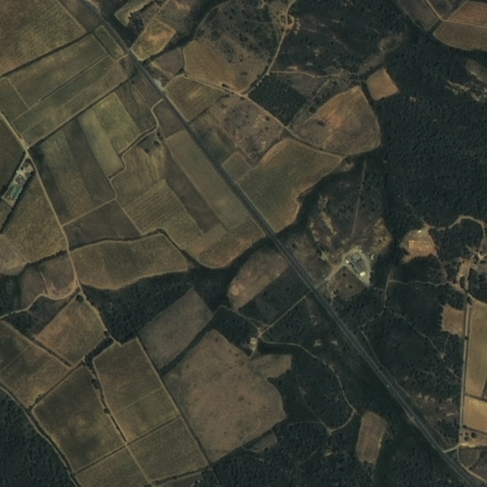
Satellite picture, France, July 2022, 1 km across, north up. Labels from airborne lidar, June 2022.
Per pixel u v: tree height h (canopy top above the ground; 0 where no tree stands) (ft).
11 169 0
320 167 0
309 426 31
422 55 26
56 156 0
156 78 0
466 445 0
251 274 0
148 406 0
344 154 0
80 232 0
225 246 0
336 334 33
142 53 0
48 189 0
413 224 25
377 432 0
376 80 0
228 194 0
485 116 22
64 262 0
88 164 0
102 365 0
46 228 0
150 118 0
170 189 0
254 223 0
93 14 0
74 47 0
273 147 0
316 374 0
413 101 21
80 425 0
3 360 0
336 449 34
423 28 19
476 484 0
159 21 0
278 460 29
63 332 0
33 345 0
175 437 0
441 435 0
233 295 0
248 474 39
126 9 0
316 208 0
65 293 0
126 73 0
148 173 0
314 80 0
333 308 0
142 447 0
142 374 0
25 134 0
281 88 26
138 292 29
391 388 0
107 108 0
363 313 34
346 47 0
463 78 23
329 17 0
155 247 0
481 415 0
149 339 0
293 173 0
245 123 0
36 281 0
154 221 0
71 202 0
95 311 0
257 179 0
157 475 0
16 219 0
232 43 0
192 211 0
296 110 27
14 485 27
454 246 29
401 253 24
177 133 0
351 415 25
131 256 0
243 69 0
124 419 0
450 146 27
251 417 0
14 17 0
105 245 0
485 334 0
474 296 32
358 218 0
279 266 0
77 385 0
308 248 0
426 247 0
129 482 0
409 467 29
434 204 29
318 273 0
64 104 0
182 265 0
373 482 32
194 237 0
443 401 25
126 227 0
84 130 0
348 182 0
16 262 0
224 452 0
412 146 34
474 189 31
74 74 0
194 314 0
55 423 0
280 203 0
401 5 0
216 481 38
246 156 0
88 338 0
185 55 0
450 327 0
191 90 0
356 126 0
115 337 18
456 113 35
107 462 0
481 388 0
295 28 0
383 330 26
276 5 0
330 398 28
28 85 0
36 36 0
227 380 0
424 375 36
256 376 0
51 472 47
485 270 0
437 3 0
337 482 29
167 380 0
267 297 32
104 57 0
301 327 33
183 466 0
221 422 0
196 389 0
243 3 23
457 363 33
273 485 35
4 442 26
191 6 0
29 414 20
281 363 0
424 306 0
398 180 34
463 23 0
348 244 0
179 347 0
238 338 24
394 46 0
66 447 0
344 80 0
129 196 0
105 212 0
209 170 0
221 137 0
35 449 31
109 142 0
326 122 0
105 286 0
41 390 0
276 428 37
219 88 0
